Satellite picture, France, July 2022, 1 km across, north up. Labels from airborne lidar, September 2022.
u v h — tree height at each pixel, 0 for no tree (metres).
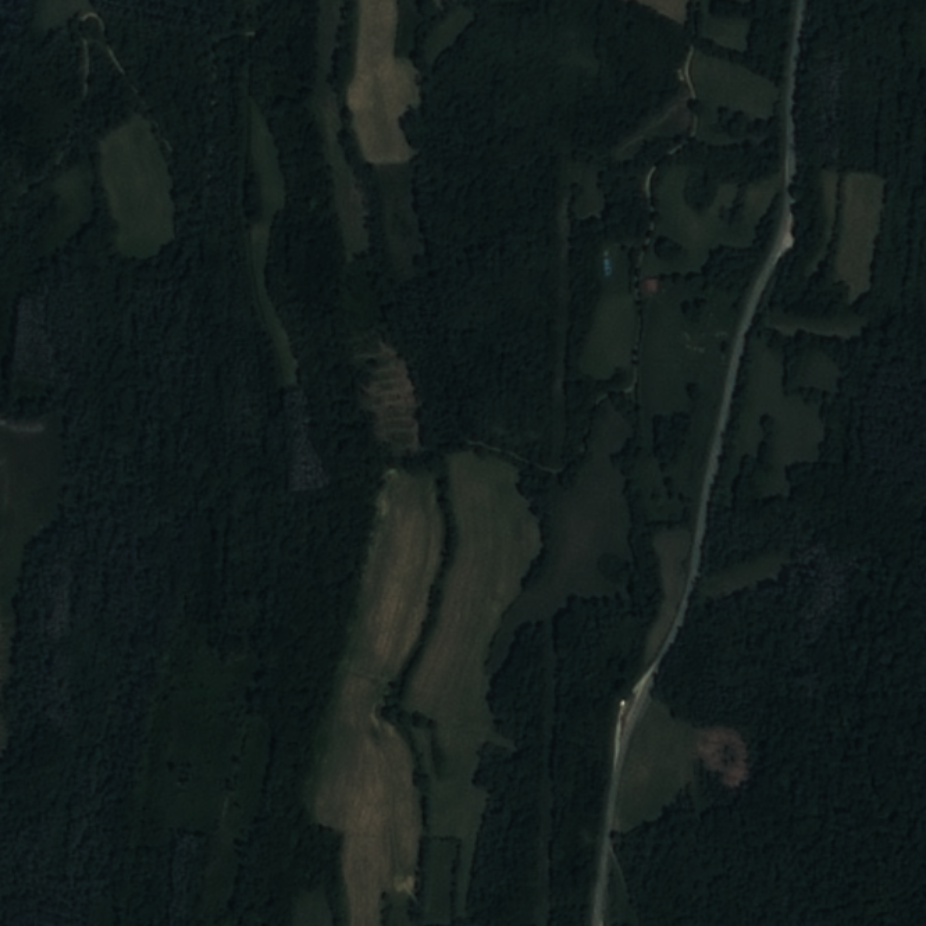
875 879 23
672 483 15
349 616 22
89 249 22
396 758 0
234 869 0
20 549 0
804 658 12
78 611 17
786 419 0
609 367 0
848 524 16
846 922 18
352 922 0
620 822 0
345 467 25
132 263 9
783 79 16
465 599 0
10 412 22
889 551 16
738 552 19
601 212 0
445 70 10
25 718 20
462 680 0
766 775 22
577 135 12
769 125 10
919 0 15
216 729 0
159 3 17
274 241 7
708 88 0
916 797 22
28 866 19
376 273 15
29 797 17
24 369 29
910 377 17
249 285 6
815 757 17
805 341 19
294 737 30
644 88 8
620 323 0
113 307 8
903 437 10
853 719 8
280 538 14
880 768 25
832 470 19
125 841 17
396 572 0
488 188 19
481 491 0
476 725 0
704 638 11
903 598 22
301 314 21
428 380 19
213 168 10
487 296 8
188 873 20
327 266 20
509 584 0
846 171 9
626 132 15
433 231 25
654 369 0
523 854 12
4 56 6
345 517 20
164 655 20
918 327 13
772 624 15
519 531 0
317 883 21
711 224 0
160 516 19
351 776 0
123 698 6
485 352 12
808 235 14
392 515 0
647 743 0
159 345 16
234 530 19
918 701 20
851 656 20
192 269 17
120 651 16
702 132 0
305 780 24
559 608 0
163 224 0
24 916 17
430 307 12
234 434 8
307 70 21
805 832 20
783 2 6
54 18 0
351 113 20
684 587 0
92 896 16
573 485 13
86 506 11
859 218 0
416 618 0
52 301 24
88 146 15
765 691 9
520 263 14
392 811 0
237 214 11
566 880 13
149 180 0
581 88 6
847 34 9
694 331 0
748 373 10
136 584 17
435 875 0
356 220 0
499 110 13
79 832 15
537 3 6
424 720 18
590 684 10
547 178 15
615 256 0
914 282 11
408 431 0
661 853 16
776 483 0
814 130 16
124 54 7
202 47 10
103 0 16
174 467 10
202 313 10
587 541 0
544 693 8
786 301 7
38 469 0
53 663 19
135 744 20
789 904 17
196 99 10
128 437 14
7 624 0
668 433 24
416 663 9
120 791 20
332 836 16
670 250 17
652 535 9
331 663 26
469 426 17
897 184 6
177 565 22
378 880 0
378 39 0
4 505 0
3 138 13
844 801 22
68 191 0
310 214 18
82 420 16
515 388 10
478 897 10
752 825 15
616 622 7
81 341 17
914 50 10
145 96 14
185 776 11
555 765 14
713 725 11
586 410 15
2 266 18
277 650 22
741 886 10
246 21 19
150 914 13
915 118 11
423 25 6
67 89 7
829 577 23
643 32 6
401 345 11
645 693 0
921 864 18
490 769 6
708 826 13
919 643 20
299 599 23
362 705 0
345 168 0
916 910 15
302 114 23
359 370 16
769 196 0
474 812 0
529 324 9
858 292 0
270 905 15
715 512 14
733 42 0
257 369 9
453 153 13
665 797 0
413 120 22
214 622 12
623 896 0
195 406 11
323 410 25
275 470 16
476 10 11
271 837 21
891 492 16
